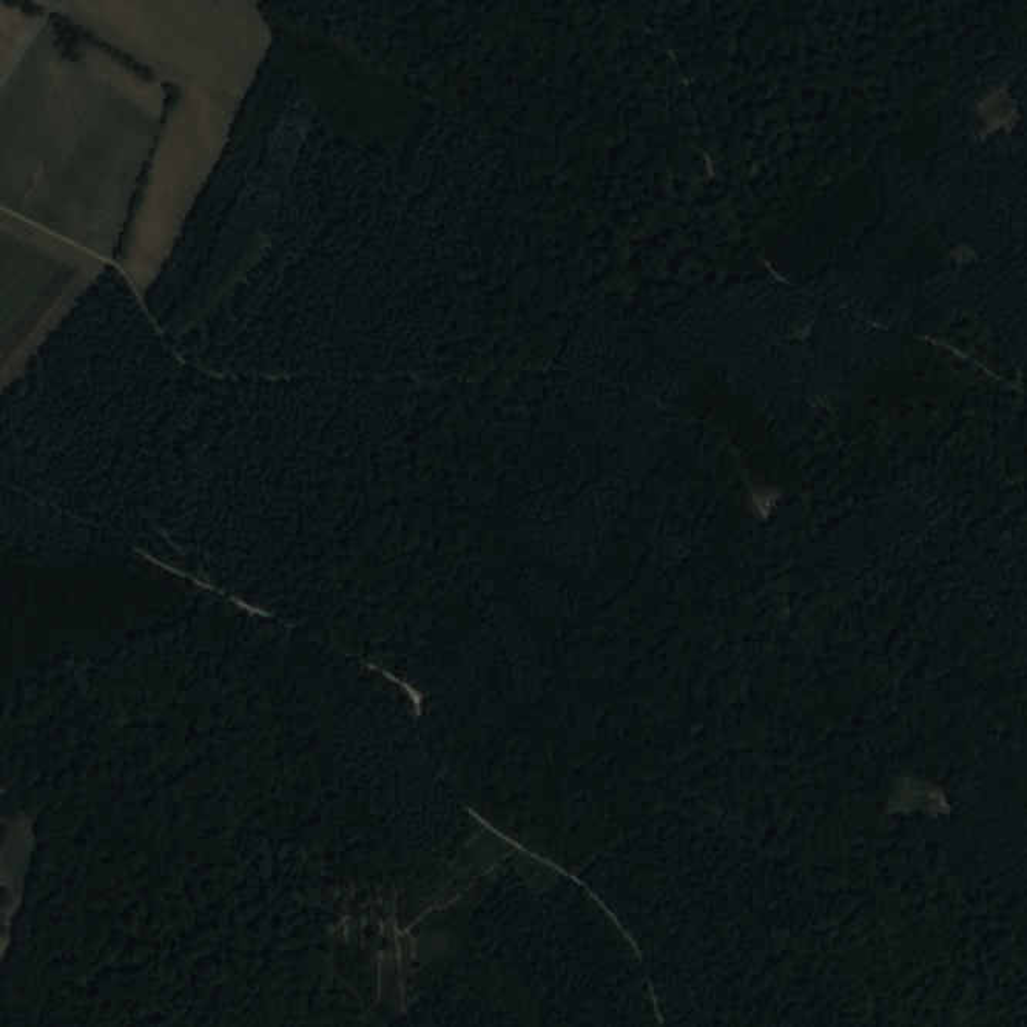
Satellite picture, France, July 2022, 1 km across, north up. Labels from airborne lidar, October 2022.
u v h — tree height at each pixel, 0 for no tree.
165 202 0
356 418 23
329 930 25
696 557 23
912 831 25
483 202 19
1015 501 22
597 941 17
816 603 27
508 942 24
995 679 26
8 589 11
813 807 28
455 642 15
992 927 23
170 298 16
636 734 21
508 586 13
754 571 19
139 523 25
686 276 29
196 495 32
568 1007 20
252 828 14
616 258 33
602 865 20
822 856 32
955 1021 18
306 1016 15
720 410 9
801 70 26
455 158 30
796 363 26
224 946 9
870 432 9
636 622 24
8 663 9
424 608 20
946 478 18
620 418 18
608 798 27
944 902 20
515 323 20
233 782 22
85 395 18
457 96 26
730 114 20
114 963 6
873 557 25
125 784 24
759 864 24
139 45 0
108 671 22
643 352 18
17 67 0
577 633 22
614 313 17
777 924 18
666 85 22
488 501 17
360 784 20
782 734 28
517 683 23
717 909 22
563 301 24
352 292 23
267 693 24
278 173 27
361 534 22
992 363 7
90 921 23
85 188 0
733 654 29
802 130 26
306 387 28
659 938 16
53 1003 22
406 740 20
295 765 21
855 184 11
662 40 24
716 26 22
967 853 26
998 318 26
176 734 27
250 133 12
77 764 20
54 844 22
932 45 22
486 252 18
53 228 0
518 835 23
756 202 27
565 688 20
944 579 16
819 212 12
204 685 25
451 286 23
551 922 19
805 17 24
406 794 25
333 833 13
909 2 19
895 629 10
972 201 15
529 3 25
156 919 26
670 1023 16
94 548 10
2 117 0
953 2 28
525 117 24
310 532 17
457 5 24
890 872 20
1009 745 24
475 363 20
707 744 26
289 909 28
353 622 20
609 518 23
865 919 16
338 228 26
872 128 25
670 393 23
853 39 24
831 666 27
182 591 12
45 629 9
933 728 26
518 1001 14
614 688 24
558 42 22
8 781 19
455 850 11
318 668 23
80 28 8
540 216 27
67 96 0
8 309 0
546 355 19
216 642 24
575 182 28
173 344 26
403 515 21
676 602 24
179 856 25
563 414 19
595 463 11
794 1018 28
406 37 21
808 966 15
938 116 12
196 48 0
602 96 22
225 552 29
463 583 20
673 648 26
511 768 22
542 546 21
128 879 27
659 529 26
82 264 0
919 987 21
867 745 21
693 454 22
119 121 0
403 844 23
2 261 0
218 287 25
